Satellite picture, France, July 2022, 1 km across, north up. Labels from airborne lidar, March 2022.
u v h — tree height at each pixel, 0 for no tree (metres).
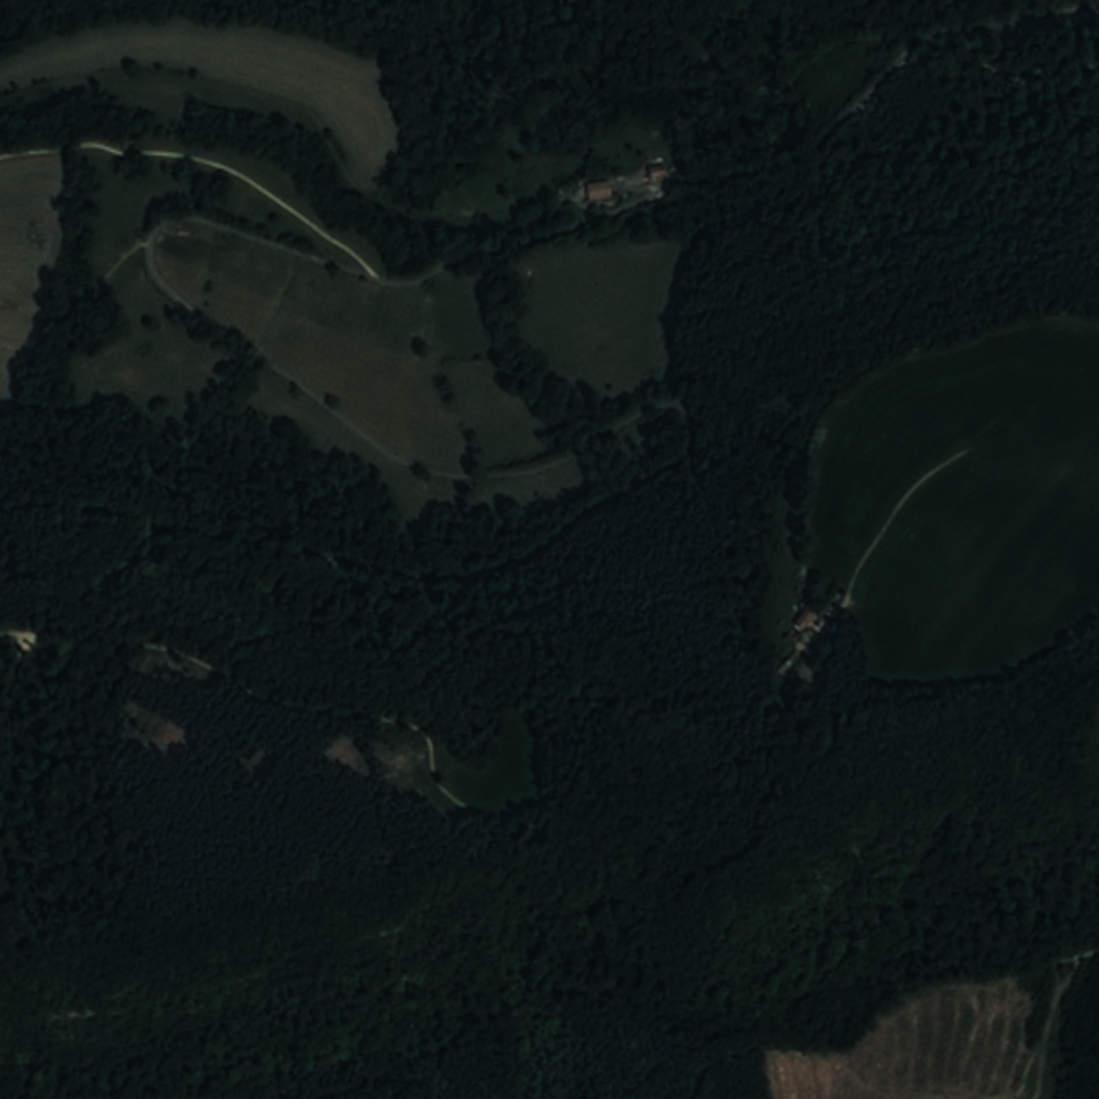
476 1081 22
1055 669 21
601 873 22
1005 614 0
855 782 17
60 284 28
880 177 29
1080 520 0
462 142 41
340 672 31
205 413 23
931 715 26
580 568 32
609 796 20
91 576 32
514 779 0
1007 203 30
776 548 0
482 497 0
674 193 19
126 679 24
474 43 36
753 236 31
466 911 14
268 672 10
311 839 22
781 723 32
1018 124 37
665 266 0
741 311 31
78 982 13
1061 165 28
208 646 21
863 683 27
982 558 0
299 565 39
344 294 0
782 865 16
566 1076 8
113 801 24
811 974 8
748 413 19
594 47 32
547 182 0
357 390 0
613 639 29
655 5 34
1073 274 21
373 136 0
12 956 21
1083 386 0
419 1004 32
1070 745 18
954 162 34
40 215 0
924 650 0
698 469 21
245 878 24
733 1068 18
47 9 27
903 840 20
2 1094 31
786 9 32
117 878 28
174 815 26
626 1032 27
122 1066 26
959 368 0
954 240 27
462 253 20
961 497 0
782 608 0
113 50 0
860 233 29
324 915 16
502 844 22
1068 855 30
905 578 0
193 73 10
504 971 24
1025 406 0
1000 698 24
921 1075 31
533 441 0
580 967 32
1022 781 14
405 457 0
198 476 29
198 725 26
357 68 0
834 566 0
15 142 19
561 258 0
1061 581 0
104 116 19
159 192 0
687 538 32
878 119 14
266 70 0
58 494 26
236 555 33
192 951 15
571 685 28
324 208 17
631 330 0
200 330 18
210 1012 13
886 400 0
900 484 0
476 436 13
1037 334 0
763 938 25
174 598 28
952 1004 33
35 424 34
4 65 0
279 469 24
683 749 23
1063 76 31
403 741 0
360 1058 27
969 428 0
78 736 27
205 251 0
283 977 17
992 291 22
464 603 28
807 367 23
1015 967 23
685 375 20
